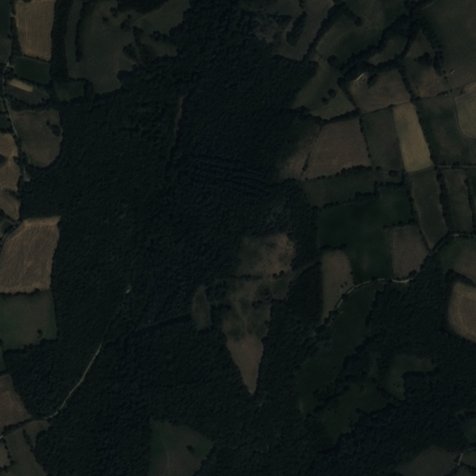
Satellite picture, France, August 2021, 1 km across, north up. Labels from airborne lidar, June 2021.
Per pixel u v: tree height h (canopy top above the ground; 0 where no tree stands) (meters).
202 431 16
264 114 20
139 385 7
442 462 0
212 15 26
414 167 0
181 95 27
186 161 17
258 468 13
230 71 23
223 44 21
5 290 0
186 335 18
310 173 0
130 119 24
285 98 11
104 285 16
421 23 12
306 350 14
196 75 23
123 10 20
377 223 0
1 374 9
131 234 8
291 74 14
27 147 0
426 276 14
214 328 12
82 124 14
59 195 12
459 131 0
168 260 16
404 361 0
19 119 0
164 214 30
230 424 16
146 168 20
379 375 5
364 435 27
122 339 21
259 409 9
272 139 17
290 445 26
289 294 6
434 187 0
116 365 20
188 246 18
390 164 0
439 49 7
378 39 0
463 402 25
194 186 21
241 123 24
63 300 14
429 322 20
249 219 13
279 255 0
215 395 19
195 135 19
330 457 25
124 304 10
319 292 13
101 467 31
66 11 8
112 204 22
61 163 14
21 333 0
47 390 16
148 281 19
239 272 0
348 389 20
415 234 0
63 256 19
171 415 22
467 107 0
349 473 23
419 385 26
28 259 0
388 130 0
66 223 14
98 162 22
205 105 24
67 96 0
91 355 14
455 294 0
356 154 0
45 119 0
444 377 24
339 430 0
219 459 11
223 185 20
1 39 0
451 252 0
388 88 0
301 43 0
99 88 0
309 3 0
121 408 16
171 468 0
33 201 14
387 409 7
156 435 0
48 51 0
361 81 0
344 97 0
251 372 0
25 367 14
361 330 0
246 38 15
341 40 0
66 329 15
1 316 0
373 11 0
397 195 0
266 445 16
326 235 0
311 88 0
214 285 9
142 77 21
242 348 0
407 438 22
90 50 0
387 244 0
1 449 0
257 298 0
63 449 16
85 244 18
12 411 0
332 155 0
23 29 0
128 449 23
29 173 11
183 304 15
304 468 32
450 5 0
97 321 17
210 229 22
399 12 0
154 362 6
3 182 0
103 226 16
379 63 0
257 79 19
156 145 21
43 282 0
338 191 0
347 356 0
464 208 0
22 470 0
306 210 19
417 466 0
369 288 0
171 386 19
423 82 0
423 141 0
